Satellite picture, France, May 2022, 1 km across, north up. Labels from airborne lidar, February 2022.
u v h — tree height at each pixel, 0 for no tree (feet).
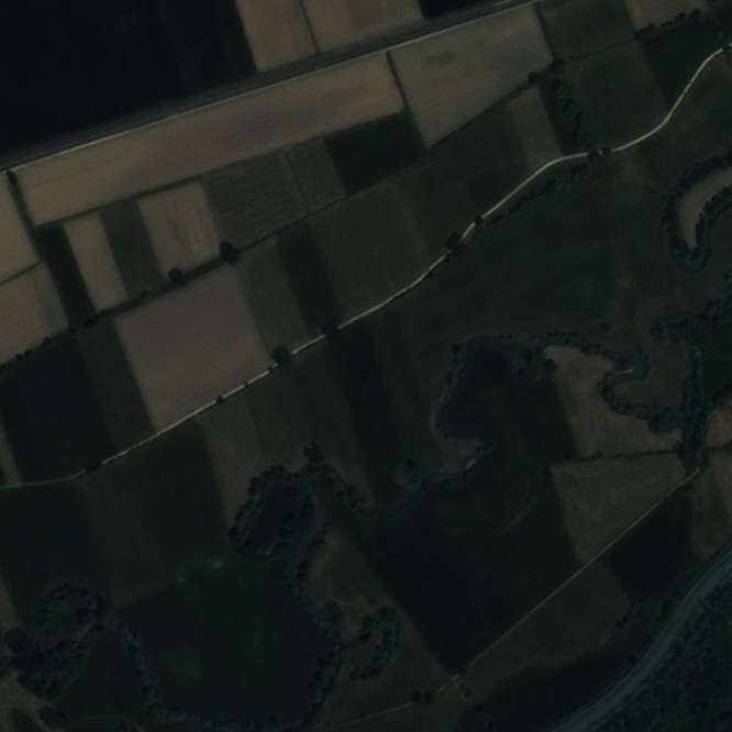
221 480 0
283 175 0
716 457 0
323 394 0
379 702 0
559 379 0
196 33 0
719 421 0
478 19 0
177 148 0
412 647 0
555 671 0
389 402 0
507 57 0
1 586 0
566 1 0
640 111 0
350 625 0
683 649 67
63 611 0
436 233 0
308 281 0
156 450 0
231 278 0
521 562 0
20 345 0
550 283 0
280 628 0
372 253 0
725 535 0
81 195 0
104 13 0
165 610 0
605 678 0
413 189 0
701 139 0
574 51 0
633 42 0
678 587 0
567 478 0
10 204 0
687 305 0
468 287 0
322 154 0
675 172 0
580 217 0
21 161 0
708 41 0
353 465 0
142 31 0
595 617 0
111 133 0
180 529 0
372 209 0
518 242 0
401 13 0
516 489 0
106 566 0
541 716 0
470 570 0
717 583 0
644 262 0
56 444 0
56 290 0
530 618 0
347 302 0
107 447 0
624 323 0
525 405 0
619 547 0
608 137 0
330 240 0
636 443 0
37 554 0
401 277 0
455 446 0
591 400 0
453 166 0
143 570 0
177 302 0
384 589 0
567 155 0
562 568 0
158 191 0
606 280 0
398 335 0
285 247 0
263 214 0
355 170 0
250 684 0
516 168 0
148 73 0
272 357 0
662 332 45
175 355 0
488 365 0
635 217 0
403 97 0
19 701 0
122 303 0
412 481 25
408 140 0
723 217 0
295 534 26
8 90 0
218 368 0
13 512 0
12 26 0
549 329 0
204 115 0
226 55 0
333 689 55
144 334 0
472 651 0
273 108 0
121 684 0
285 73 0
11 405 0
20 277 0
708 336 0
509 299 0
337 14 0
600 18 0
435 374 0
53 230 0
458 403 0
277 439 0
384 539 0
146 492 0
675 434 0
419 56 0
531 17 0
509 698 0
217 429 0
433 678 0
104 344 0
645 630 0
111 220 0
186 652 0
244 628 0
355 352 0
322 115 0
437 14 0
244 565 0
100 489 0
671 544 0
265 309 0
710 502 0
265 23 0
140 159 0
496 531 0
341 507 0
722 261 0
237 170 0
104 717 0
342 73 0
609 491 0
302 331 0
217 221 0
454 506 0
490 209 0
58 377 0
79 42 0
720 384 0
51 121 0
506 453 0
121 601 0
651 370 0
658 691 98
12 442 0
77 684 0
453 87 0
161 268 0
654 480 0
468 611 0
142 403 0
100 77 0
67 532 0
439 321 0
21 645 117
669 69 0
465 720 0
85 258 0
